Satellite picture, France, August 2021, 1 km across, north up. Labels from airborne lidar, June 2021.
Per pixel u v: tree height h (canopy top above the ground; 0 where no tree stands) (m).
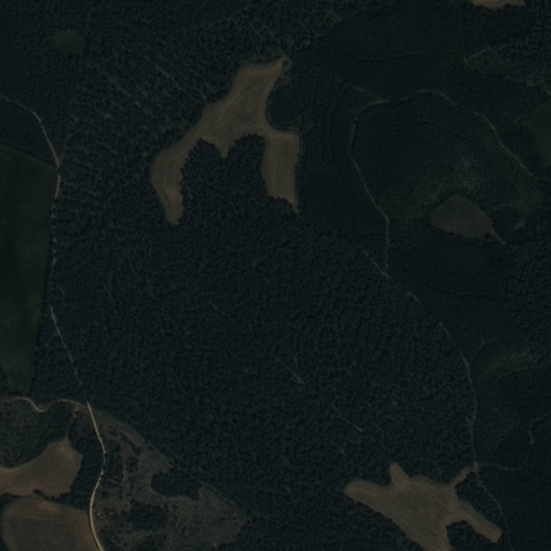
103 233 15
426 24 7
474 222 0
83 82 14
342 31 8
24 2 10
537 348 14
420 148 9
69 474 0
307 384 8
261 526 14
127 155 21
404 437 15
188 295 15
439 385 13
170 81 13
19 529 0
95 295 13
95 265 17
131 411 14
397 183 8
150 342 15
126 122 16
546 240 17
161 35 17
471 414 10
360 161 9
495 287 8
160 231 20
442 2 10
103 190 19
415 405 8
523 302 16
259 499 15
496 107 7
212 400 18
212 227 20
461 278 9
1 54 10
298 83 7
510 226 9
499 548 10
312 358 13
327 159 9
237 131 0
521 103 9
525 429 9
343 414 12
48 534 0
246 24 13
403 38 8
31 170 0
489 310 8
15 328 0
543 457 11
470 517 0
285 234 20
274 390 14
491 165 7
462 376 18
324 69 6
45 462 0
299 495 16
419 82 10
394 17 9
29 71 11
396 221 10
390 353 16
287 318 14
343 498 16
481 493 9
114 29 20
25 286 0
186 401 18
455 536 7
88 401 13
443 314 7
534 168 7
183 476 8
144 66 16
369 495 0
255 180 15
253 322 16
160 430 13
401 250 7
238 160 8
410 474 8
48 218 0
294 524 15
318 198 10
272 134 0
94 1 10
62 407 6
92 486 7
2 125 12
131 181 21
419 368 15
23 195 0
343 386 12
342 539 16
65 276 15
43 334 12
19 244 0
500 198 8
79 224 20
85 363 16
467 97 10
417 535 0
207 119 0
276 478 15
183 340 17
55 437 13
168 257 15
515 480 6
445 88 7
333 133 9
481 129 6
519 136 8
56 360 15
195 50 20
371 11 8
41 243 0
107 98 18
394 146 7
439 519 0
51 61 12
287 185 0
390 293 17
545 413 9
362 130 8
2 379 13
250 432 20
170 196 0
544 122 0
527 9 8
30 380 0
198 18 13
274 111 7
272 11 13
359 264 17
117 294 12
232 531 0
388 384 16
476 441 10
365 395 15
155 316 15
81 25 14
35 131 10
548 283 17
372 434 13
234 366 16
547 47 22
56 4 9
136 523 8
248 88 0
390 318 16
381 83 9
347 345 17
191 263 17
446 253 9
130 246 13
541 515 10
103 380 15
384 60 8
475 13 7
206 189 19
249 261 16
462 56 6
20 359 0
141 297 17
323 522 11
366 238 7
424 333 14
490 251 11
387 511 0
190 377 19
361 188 8
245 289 12
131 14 20
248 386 18
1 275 0
